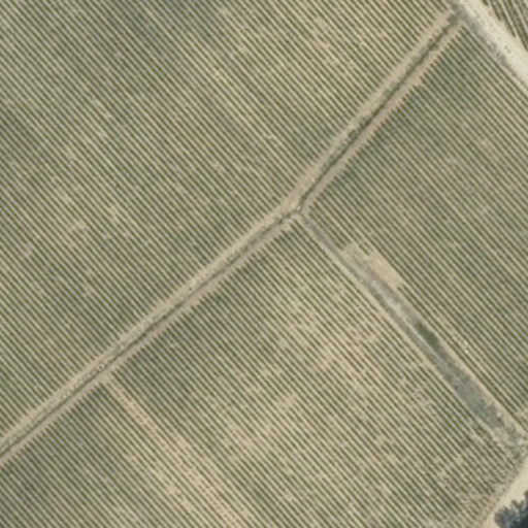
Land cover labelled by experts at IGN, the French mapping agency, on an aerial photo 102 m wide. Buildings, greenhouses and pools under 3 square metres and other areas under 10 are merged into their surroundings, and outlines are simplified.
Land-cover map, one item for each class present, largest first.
<instances>
[{"label":"vineyard","instance_id":"1","mask_svg":"<svg viewBox=\"0 0 528 528\"><path fill-rule=\"evenodd\" d=\"M518 72L512 68V64L497 50L495 43L487 41L481 27L458 4V0H0V528H483L485 522H495L499 512L505 509L499 497L507 493L509 485L522 470L524 460L528 458V95L516 83ZM485 6L493 10L495 19L505 25L512 37H520L522 47L528 52V0H481Z\"/></svg>","mask_w":528,"mask_h":528},{"label":"pervious surface","instance_id":"2","mask_svg":"<svg viewBox=\"0 0 528 528\"><path fill-rule=\"evenodd\" d=\"M458 4L481 27L487 41L495 43L497 50L512 64V68L518 72L516 83L528 95V52L522 47L520 37H512L505 25L495 19L493 10L485 6L481 0H458ZM505 509L499 512L495 522H485L483 528H528V458L524 460L522 470L509 485L507 493L499 497Z\"/></svg>","mask_w":528,"mask_h":528}]
</instances>
